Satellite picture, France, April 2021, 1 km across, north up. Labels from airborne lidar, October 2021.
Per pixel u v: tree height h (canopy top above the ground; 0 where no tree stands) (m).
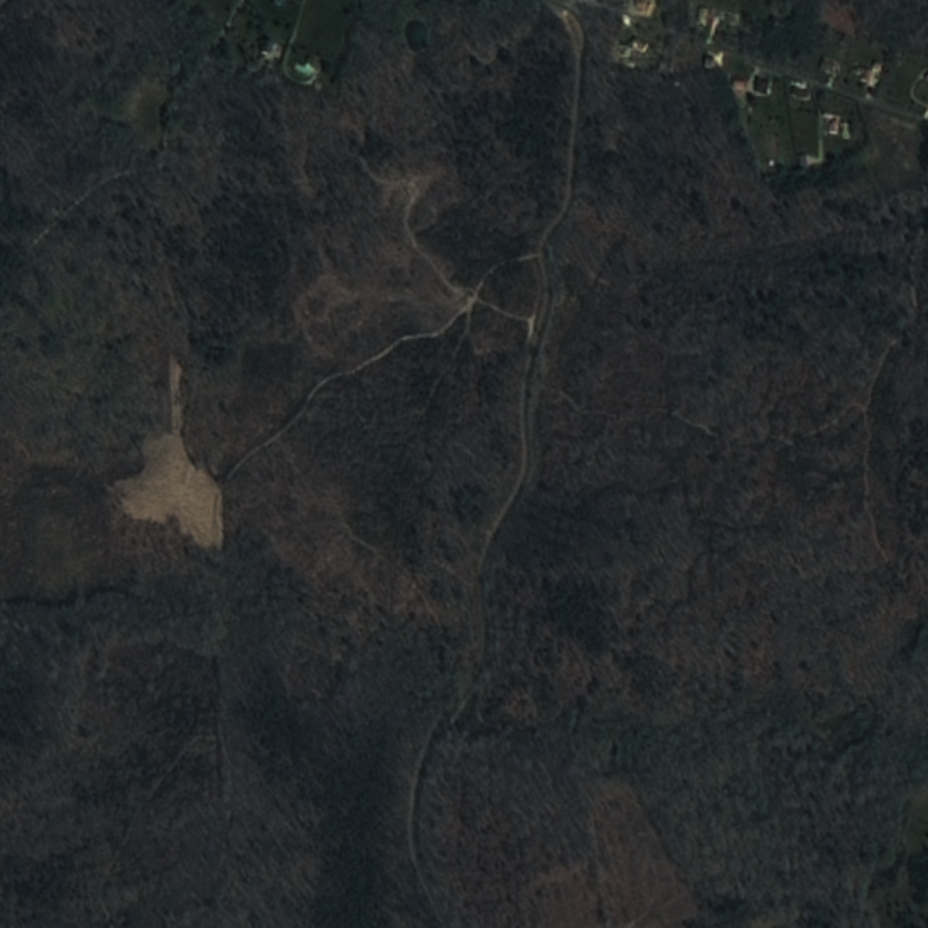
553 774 13
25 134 14
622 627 11
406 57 17
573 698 9
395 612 10
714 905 10
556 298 22
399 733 14
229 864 11
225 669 15
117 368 16
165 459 0
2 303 25
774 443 13
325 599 7
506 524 12
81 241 17
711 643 15
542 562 10
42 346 15
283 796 14
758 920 21
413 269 9
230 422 26
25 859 9
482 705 21
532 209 8
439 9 15
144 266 15
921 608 11
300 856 15
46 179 13
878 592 11
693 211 9
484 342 7
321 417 7
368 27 18
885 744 15
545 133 11
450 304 0
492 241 6
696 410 12
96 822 9
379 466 7
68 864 10
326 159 14
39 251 14
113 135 18
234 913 13
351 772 16
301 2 0
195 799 7
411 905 16
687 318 7
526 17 13
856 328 14
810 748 10
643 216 14
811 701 14
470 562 9
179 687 6
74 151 15
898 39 8
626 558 15
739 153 14
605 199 14
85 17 13
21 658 15
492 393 12
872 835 16
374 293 0
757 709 13
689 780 26
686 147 11
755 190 9
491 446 12
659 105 12
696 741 28
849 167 14
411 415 6
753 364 15
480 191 14
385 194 15
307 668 8
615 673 11
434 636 17
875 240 10
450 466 15
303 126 13
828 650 14
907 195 7
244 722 14
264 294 13
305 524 13
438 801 12
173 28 16
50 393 19
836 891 14
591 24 14
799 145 0
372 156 13
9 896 12
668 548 17
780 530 13
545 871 10
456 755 8
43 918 10
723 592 14
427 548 6
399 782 15
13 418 14
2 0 12
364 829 14
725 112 13
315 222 11
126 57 17
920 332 8
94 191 13
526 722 7
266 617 21
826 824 13
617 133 12
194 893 11
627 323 10
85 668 8
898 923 6
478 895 13
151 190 15
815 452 11
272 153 16
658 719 23
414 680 16
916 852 0
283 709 15
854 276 19
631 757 25
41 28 15
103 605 16
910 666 21
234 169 15
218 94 16
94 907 9
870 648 12
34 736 13
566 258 15
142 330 11
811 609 11
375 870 18
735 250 7
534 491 7
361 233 12
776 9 16
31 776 10
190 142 16
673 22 18
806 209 14
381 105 16
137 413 19
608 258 11
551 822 13
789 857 9
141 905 9
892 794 22
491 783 10
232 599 15
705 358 11
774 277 7
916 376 9
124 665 6
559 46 13
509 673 7
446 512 12
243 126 18
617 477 8
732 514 18
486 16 16
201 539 0
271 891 14
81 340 15
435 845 12
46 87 17
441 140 10
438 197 10
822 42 10
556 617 18
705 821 25
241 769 14
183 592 15
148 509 0
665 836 21
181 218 12
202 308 12
